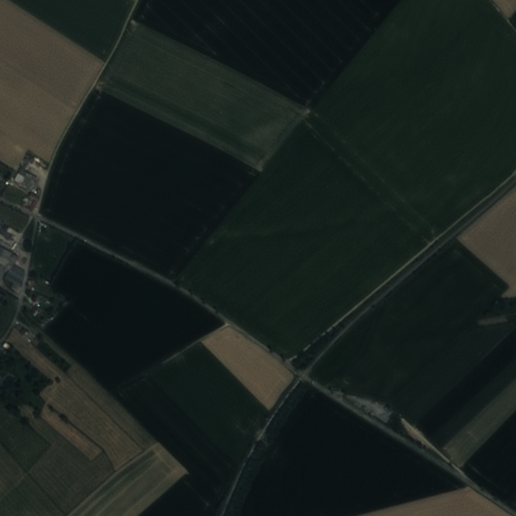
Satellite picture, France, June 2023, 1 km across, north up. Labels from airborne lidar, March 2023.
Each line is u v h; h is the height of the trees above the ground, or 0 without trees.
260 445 14
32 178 0
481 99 0
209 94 0
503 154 0
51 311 9
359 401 0
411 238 0
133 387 0
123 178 0
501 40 0
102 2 0
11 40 0
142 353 0
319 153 0
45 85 0
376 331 0
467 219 0
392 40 0
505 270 0
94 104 0
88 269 0
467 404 0
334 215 0
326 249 0
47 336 0
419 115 0
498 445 0
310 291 0
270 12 0
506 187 0
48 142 0
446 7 0
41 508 0
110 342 0
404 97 0
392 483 0
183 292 0
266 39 0
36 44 0
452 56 0
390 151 0
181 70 0
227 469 0
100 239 0
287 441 0
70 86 0
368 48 0
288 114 0
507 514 0
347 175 0
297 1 0
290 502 0
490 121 0
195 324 0
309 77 0
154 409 0
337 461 0
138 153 0
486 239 0
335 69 0
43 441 0
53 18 0
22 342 0
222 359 0
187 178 0
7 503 0
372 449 0
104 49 0
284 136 0
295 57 0
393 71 0
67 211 0
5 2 0
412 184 0
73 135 0
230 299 0
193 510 0
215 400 0
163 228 0
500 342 0
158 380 0
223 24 0
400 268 0
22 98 0
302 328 0
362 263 0
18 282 0
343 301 0
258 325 0
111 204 0
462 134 0
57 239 0
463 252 0
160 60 0
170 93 0
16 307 0
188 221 0
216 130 0
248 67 0
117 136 0
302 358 8
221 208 0
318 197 0
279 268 0
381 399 0
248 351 0
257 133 0
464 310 0
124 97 0
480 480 0
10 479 0
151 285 0
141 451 0
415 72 0
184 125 0
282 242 0
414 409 0
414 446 0
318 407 0
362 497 0
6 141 0
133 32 0
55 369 0
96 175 0
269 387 0
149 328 0
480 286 0
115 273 0
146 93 0
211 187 0
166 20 0
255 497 0
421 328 0
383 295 0
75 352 0
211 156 0
